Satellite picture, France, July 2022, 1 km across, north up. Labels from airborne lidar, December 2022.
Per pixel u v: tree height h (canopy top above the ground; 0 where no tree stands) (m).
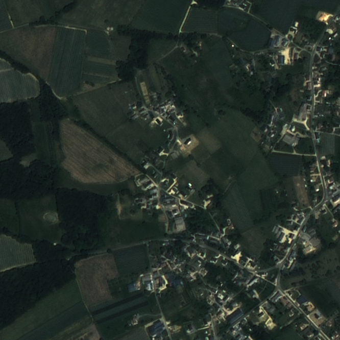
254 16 0
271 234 0
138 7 0
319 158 0
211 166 0
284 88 20
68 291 0
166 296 8
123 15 0
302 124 0
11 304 26
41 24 12
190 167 0
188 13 0
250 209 0
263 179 0
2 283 23
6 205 0
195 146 0
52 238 0
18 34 0
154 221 0
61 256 16
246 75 9
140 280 0
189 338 0
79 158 0
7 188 26
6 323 23
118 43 0
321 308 0
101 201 16
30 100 11
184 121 0
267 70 8
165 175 9
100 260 0
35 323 0
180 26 0
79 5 0
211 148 0
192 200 0
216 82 0
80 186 0
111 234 0
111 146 8
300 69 0
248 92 0
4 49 0
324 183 0
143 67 15
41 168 22
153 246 0
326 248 6
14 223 0
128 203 0
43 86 15
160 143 0
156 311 0
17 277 22
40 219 0
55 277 22
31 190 26
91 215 17
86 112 0
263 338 17
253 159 0
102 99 0
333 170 9
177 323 0
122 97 0
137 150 0
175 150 0
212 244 12
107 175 0
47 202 0
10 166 23
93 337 0
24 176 25
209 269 10
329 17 0
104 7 0
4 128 19
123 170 0
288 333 0
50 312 0
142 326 0
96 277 0
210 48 0
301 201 0
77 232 14
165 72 9
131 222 0
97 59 0
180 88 0
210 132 0
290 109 0
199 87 0
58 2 0
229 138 0
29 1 0
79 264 0
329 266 0
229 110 0
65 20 0
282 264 0
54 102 22
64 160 0
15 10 0
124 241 0
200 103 0
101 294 0
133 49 21
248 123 0
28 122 21
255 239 0
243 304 0
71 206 21
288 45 0
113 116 0
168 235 15
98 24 0
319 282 0
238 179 0
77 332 0
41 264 13
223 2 13
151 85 0
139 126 0
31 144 19
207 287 8
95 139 0
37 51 0
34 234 0
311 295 0
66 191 12
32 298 20
